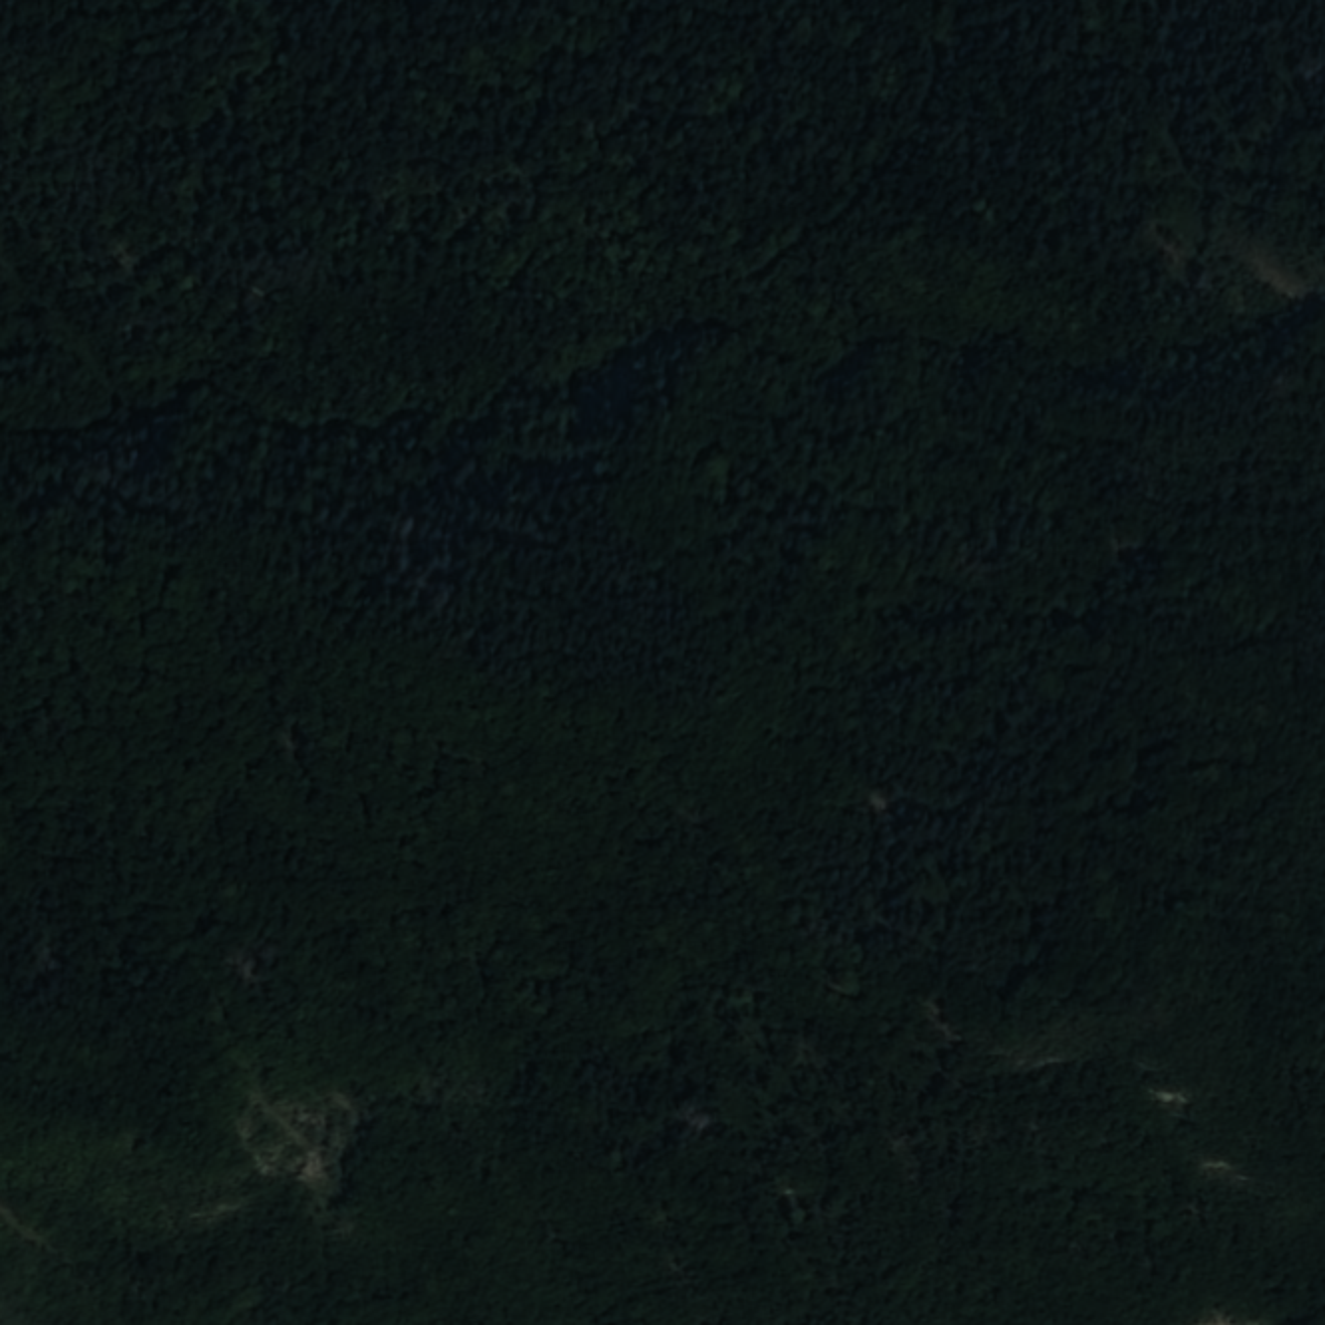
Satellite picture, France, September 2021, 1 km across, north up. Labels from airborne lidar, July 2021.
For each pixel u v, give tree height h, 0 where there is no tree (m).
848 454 33
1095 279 10
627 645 21
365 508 23
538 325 26
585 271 26
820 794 31
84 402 27
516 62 28
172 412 17
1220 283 13
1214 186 29
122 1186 12
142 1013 29
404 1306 29
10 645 34
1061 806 30
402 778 25
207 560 22
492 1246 15
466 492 22
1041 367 26
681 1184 30
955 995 26
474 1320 16
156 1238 24
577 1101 26
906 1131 26
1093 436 30
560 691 23
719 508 20
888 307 27
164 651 25
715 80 32
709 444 32
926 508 32
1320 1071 19
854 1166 23
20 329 22
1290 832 22
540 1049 27
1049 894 14
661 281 24
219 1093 18
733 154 20
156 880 21
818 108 22
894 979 23
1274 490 24
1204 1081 13
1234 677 28
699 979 26
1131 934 26
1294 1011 27
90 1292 10
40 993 26
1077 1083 26
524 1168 25
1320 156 19
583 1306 25
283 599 19
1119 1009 14
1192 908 25
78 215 26
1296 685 30
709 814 30
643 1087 20
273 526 25
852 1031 27
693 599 24
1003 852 19
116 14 22
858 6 25
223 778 18
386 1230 17
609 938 27
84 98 18
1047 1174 25
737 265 21
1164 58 26
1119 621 34
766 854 25
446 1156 27
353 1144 12
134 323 32
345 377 21
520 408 25
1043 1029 12
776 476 29
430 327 19
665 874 25
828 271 20
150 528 27
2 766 18
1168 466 20
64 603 23
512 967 29
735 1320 18
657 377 26
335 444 28
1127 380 11
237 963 24
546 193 23
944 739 27
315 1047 25
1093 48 34
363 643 18
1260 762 24
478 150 35
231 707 26
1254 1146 16
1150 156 30
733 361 33
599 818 30
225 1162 12
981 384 29
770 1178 30
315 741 22
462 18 32
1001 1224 21
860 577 22
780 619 31
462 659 20
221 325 14
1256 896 12
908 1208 22
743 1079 27
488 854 25
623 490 27
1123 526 34
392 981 22
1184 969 16
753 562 29
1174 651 24
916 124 13
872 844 25
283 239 25
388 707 24
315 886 30
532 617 30
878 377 25
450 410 16
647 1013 17
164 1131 28
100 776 19
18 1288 16
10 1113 17
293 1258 27
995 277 22
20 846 27
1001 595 32
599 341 25
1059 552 33
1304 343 29
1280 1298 21
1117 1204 27
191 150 33
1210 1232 22
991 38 30
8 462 20
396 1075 17
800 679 33
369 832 30
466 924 22
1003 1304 18
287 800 23
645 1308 23
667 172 18
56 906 21
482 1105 9
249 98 31
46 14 20
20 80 20
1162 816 28
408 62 23
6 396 25
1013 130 11
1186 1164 18
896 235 21
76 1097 32
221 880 28
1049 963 27
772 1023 28
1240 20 25
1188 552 35
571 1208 22
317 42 28
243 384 25
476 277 20
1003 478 26
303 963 28
